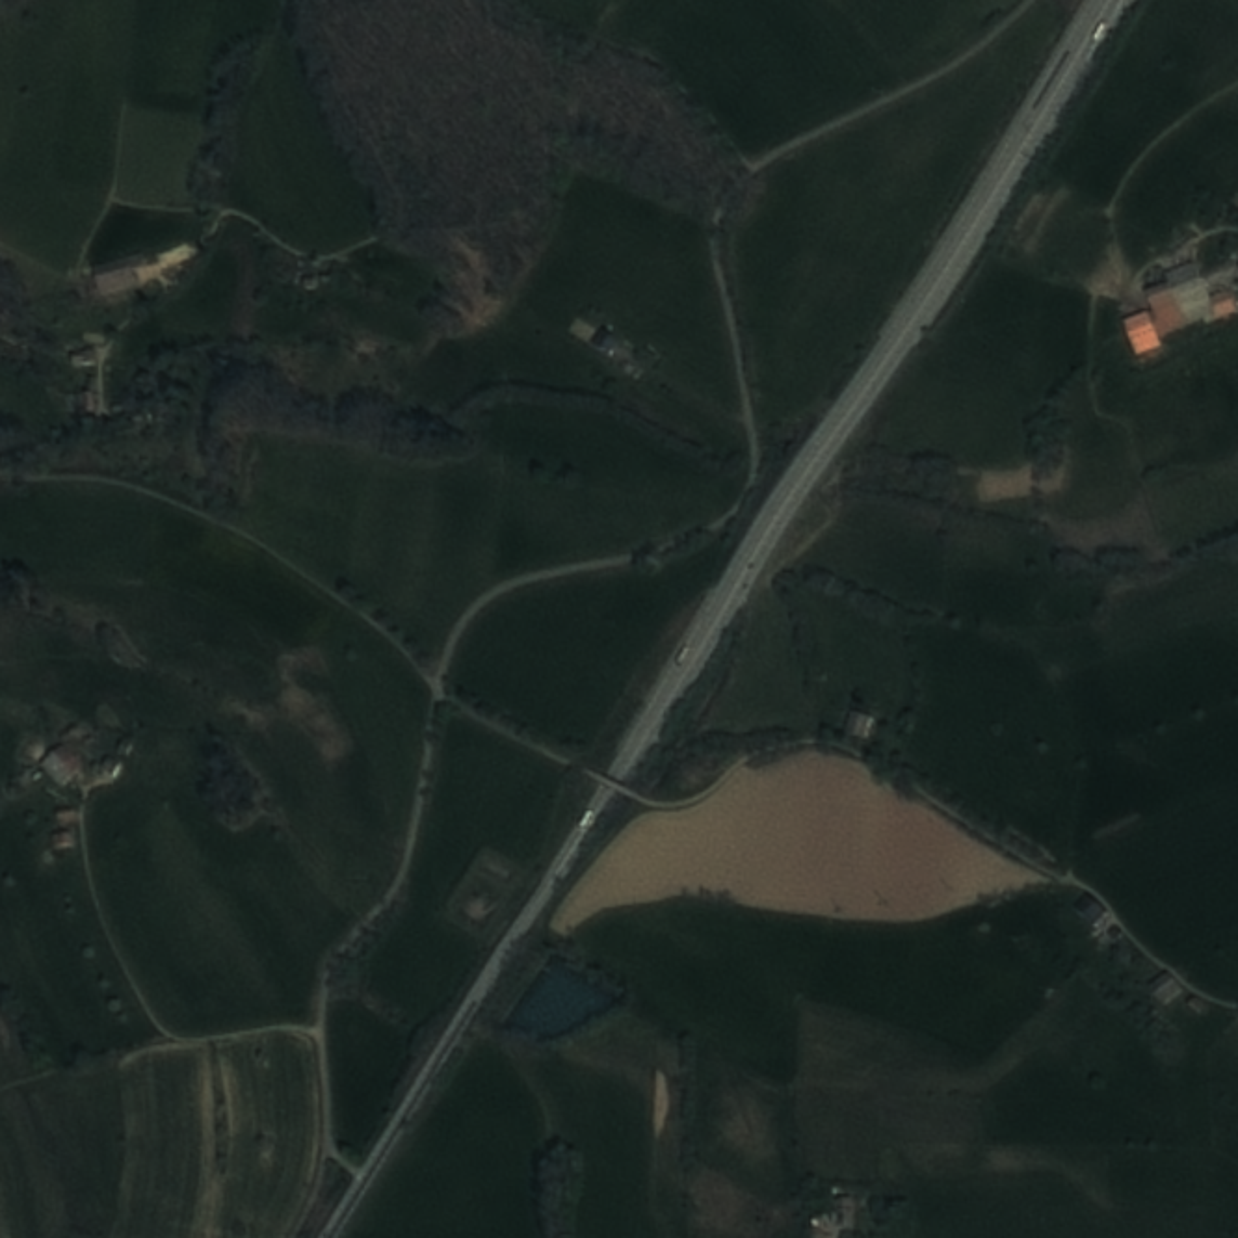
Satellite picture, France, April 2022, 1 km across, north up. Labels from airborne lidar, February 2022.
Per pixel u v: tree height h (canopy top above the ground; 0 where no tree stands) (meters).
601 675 0
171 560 0
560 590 0
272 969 0
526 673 0
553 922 0
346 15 30
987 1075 0
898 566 0
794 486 0
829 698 0
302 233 0
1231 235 7
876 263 0
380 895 0
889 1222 10
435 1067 0
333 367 0
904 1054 0
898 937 0
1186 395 0
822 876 0
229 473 22
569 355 0
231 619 0
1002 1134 0
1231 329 0
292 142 0
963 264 0
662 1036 0
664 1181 0
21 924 0
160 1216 0
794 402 0
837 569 0
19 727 0
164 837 0
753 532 0
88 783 0
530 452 0
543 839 0
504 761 0
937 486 21
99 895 0
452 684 7
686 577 0
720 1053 0
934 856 0
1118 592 0
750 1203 0
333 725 0
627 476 0
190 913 0
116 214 0
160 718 0
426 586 0
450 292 16
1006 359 0
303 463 0
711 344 0
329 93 34
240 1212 0
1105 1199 0
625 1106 0
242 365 10
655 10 0
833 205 0
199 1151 0
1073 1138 0
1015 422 0
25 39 0
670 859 0
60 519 0
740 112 0
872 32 0
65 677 0
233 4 0
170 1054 0
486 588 0
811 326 0
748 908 0
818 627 0
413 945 0
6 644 0
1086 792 0
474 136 28
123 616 0
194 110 0
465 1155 0
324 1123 0
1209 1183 0
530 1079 0
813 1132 0
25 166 0
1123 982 8
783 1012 0
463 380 0
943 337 0
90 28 0
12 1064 0
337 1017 0
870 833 0
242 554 0
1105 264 0
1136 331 0
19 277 22
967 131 0
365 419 33
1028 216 0
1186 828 0
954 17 0
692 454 14
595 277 0
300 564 0
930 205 0
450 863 0
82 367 0
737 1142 0
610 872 0
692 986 0
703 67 0
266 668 0
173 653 0
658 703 0
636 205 0
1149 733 0
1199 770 0
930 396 0
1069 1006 0
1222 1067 0
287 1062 0
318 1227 0
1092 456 0
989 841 13
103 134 0
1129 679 0
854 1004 0
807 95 0
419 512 0
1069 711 0
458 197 27
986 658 0
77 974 0
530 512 0
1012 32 0
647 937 0
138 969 0
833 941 0
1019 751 0
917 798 17
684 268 0
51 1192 0
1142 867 0
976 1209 0
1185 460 0
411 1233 0
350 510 0
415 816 0
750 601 0
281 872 0
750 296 0
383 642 0
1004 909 0
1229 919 0
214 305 0
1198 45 0
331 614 0
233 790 26
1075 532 0
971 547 0
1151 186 0
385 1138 0
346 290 11
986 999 0
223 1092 0
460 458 10
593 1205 0
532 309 0
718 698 0
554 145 29
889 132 0
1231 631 0
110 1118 0
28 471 28
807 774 0
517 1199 0
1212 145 0
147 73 0
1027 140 0
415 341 0
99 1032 0
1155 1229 0
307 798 0
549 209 26
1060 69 0
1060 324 0
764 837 0
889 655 0
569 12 0
